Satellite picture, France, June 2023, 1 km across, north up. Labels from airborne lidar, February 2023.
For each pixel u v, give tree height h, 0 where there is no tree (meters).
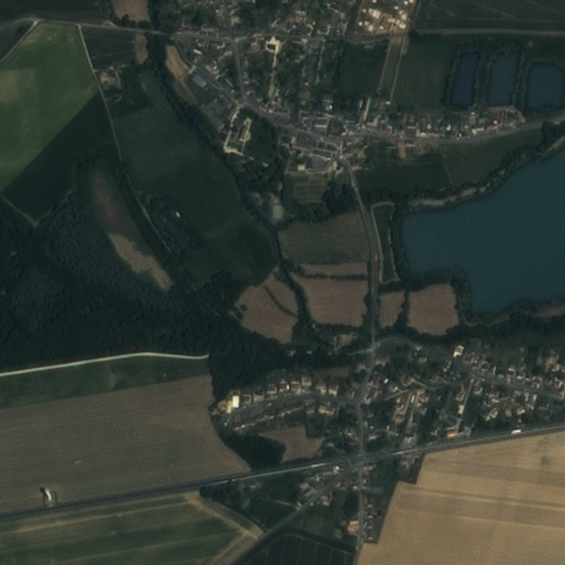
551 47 0
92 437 0
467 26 0
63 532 0
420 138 0
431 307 0
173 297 12
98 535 0
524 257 0
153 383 0
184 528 0
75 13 0
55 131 0
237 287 8
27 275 16
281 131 9
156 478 0
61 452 0
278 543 0
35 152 0
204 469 0
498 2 0
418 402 0
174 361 0
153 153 0
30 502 0
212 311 7
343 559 0
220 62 0
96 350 21
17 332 18
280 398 0
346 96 8
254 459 13
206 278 0
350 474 0
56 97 0
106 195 0
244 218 0
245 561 0
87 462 0
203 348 12
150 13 11
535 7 0
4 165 0
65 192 0
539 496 0
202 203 0
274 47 8
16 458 0
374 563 0
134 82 0
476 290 0
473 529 0
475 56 0
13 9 0
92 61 0
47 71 0
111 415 0
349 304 0
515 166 9
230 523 0
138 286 21
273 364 15
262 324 0
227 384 18
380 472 0
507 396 0
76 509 0
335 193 21
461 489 0
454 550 0
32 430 0
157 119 0
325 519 0
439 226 0
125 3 0
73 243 22
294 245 0
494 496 0
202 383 0
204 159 0
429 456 0
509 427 11
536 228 0
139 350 14
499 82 0
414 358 10
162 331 23
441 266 0
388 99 0
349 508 9
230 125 8
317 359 17
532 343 0
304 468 0
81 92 0
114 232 0
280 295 0
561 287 0
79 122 0
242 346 18
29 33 0
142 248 0
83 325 23
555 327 15
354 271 0
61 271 22
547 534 0
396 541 0
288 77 6
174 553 0
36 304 17
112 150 7
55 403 0
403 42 0
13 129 0
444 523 0
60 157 0
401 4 0
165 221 0
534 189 0
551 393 0
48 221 14
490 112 0
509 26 0
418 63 0
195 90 0
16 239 25
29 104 0
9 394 0
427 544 0
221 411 0
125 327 24
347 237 0
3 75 0
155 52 16
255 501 0
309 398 0
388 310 0
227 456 0
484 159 0
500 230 0
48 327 19
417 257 0
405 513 0
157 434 0
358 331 11
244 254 0
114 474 0
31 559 0
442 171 0
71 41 0
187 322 23
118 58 0
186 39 0
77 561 0
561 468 0
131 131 0
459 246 0
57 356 20
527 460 0
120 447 0
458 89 0
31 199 0
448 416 0
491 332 15
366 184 0
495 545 0
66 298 18
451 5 0
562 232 0
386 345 0
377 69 0
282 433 0
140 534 0
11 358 22
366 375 11
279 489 0
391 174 0
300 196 0
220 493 16
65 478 0
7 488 0
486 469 0
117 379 0
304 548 0
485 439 0
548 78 0
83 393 0
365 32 0
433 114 0
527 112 11
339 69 8
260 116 10
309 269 0
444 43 0
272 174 24
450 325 0
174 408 0
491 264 0
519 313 8
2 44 0
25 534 0
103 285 20
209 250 0
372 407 10
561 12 0
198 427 0
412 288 19
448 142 0
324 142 0
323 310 0
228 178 0
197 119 14
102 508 0
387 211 0
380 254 0
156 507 0
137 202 5
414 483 0
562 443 0
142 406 0
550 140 23
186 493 0
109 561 0
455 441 0
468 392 0
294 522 0
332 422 8
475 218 0
